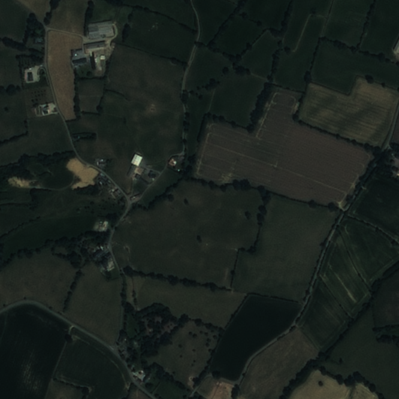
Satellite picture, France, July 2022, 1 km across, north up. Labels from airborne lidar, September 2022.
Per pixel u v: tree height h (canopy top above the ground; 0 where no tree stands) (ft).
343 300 0
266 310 0
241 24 0
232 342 0
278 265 0
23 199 0
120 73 0
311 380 0
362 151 0
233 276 44
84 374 0
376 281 23
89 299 0
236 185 69
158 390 0
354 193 28
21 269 0
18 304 0
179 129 0
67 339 54
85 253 62
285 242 0
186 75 0
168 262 0
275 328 0
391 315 0
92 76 22
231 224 0
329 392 0
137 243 0
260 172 0
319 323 0
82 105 0
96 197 0
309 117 0
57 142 0
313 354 0
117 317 0
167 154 0
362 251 0
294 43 0
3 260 87
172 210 0
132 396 0
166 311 59
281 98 0
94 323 0
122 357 45
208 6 0
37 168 0
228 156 0
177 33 0
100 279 0
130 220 0
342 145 0
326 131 31
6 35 0
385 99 0
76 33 0
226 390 0
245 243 0
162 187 0
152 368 37
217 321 0
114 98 0
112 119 0
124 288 22
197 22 33
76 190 21
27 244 0
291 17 56
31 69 0
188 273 0
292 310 0
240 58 53
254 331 0
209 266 0
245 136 0
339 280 0
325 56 0
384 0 0
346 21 0
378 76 0
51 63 0
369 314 0
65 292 0
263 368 0
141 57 0
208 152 0
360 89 0
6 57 0
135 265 0
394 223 0
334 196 0
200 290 0
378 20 0
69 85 0
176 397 0
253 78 0
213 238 0
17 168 57
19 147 0
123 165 0
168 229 0
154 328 31
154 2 0
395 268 23
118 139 0
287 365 0
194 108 0
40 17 0
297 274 0
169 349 0
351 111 0
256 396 0
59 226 0
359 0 0
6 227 0
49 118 0
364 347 0
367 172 28
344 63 0
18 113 0
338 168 0
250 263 0
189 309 0
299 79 0
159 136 0
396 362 0
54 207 0
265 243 0
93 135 30
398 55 0
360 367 0
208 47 28
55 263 0
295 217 0
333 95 0
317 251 0
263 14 0
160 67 0
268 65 0
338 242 0
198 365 0
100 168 0
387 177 30
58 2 33
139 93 0
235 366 0
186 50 0
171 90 0
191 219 0
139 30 0
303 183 0
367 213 0
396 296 0
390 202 0
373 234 0
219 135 0
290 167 0
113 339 0
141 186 0
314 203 50
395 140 0
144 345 33
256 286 0
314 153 0
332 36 0
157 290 0
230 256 0
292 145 0
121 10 0
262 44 0
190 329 0
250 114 0
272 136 0
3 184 19
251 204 0
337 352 0
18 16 0
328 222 0
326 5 0
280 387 0
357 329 0
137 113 0
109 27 0
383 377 0
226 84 0
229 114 0
